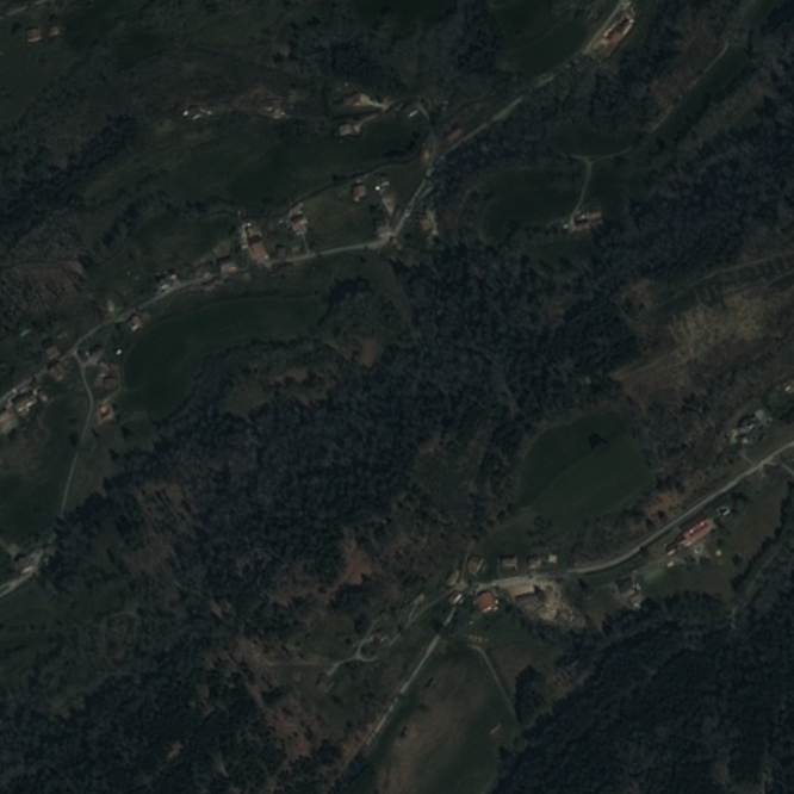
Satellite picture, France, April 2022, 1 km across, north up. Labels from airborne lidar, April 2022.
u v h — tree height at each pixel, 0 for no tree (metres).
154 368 0
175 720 12
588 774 15
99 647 22
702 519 0
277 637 25
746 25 0
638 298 0
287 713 10
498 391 21
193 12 18
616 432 0
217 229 0
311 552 20
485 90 23
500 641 0
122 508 19
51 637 0
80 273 0
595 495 0
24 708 6
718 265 10
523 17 0
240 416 0
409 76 22
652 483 0
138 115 11
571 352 19
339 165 0
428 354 12
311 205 0
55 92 19
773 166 19
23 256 25
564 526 0
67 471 0
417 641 0
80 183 35
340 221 0
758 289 0
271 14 0
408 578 6
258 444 29
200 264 0
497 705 0
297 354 7
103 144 27
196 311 0
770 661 7
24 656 7
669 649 31
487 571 0
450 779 0
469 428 10
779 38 26
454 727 0
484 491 0
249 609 15
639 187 0
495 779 0
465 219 16
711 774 15
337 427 22
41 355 7
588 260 0
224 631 36
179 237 0
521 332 21
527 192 0
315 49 18
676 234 23
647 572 0
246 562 9
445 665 0
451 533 8
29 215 32
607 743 12
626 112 6
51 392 0
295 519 10
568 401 26
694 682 16
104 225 0
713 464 0
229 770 10
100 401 0
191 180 0
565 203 0
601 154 0
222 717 8
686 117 0
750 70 0
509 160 9
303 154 0
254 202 0
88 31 0
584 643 17
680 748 7
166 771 7
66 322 7
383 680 0
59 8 0
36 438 0
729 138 0
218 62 6
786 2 0
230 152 0
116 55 0
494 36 29
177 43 11
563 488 0
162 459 16
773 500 0
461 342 28
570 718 33
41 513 7
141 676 7
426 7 0
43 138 20
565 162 13
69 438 0
